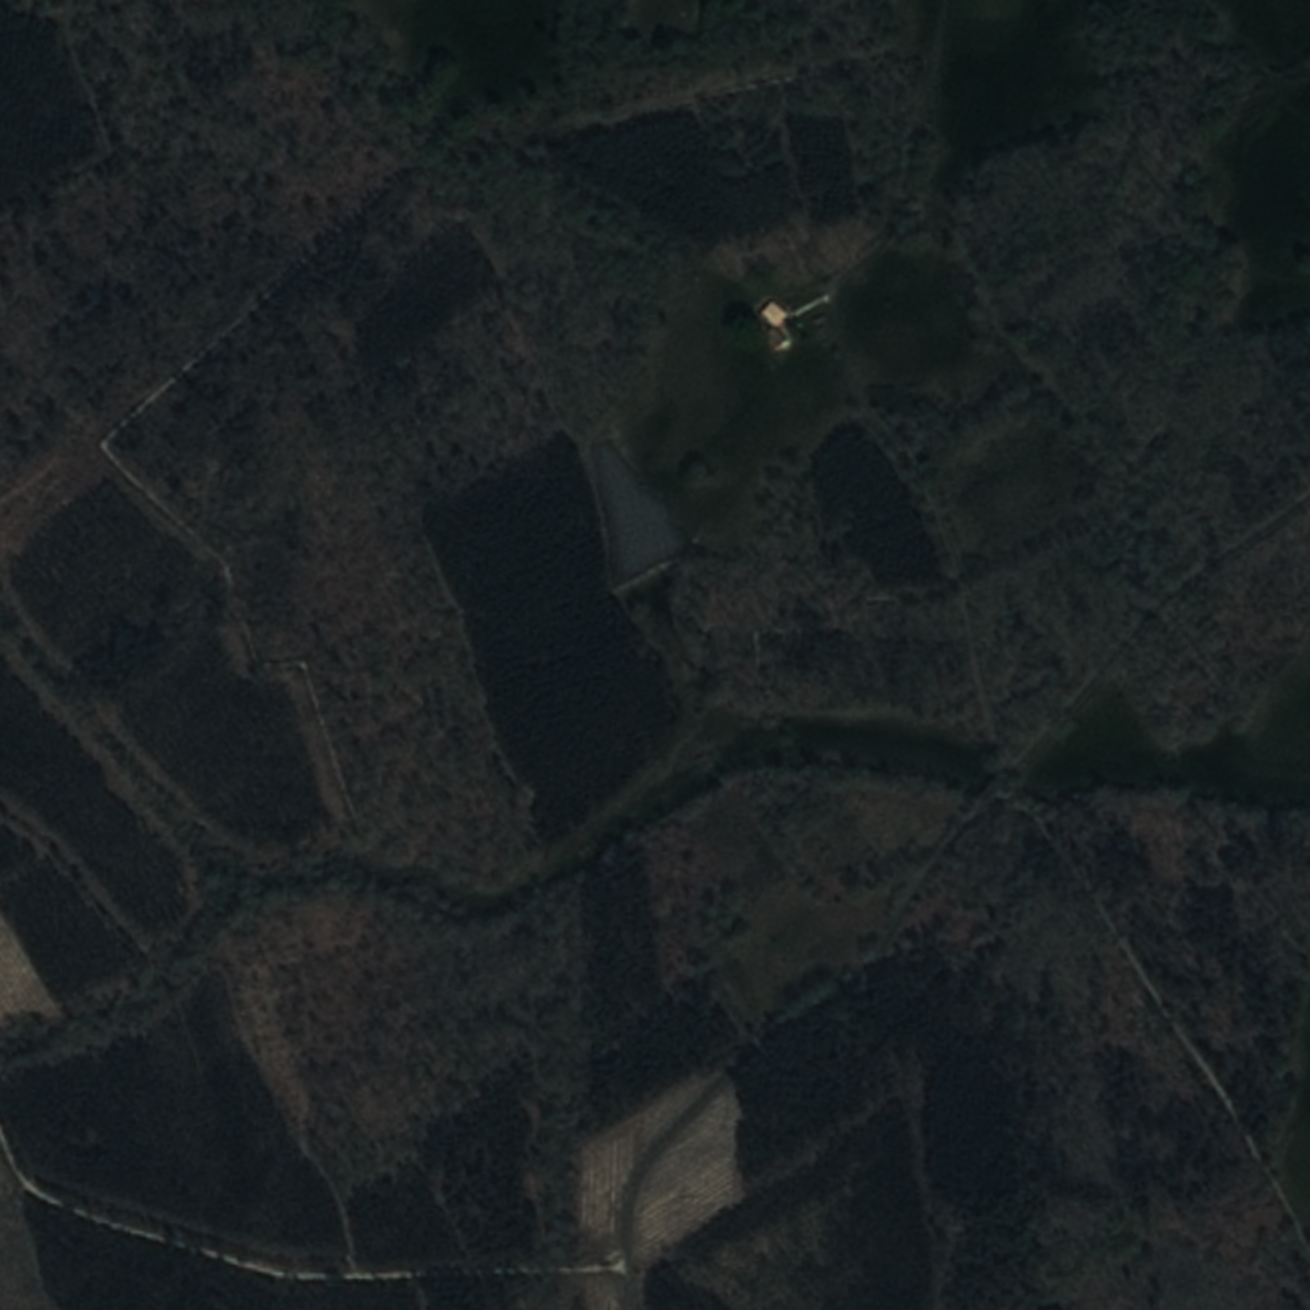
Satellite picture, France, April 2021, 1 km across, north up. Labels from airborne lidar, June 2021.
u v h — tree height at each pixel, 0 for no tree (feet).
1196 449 48
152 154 21
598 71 46
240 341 36
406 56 0
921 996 34
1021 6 0
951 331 0
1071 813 43
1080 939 55
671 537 0
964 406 0
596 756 44
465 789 30
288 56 64
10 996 0
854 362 0
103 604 30
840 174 43
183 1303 32
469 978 57
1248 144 0
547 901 53
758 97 23
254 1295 32
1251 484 74
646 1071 51
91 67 44
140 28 28
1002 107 0
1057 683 34
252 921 60
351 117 31
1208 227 64
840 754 0
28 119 30
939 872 26
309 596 20
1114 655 55
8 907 31
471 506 41
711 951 22
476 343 40
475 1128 59
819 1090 49
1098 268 49
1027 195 57
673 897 23
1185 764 0
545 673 42
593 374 62
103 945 39
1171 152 36
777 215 35
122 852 30
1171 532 25
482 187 52
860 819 0
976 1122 40
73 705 61
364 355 39
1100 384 56
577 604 44
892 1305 27
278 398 24
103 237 88
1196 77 35
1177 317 69
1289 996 48
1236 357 69
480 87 0
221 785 29
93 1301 37
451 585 28
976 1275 41
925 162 68
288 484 33
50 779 39
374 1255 30
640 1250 0
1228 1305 59
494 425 34
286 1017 33
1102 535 52
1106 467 56
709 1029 58
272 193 33
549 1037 52
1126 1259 41
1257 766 0
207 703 32
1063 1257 45
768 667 24
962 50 0
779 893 0
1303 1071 0
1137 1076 24
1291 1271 31
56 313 29
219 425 38
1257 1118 54
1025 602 48
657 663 41
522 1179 66
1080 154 48
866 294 0
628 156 45
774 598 27
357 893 50
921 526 42
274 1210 32
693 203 46
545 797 45
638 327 54
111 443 25
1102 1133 37
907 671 45
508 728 39
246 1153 39
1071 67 0
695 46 43
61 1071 43
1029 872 63
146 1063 37
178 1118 37
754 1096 48
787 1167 24
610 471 0
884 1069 31
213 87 50
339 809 0
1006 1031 49
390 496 29
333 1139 40
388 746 58
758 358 0
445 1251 35
